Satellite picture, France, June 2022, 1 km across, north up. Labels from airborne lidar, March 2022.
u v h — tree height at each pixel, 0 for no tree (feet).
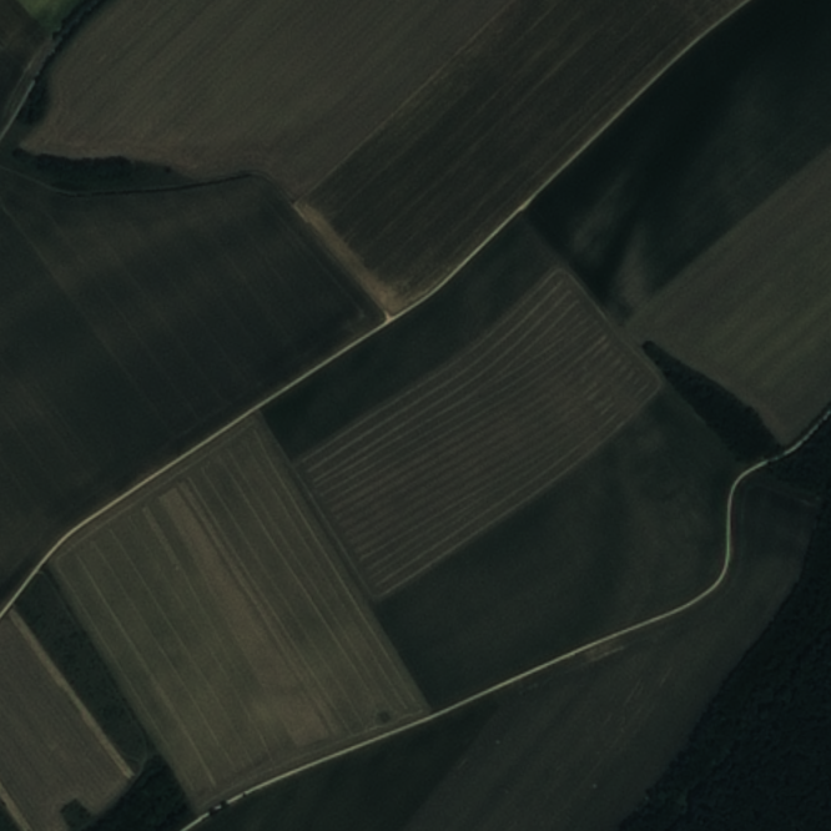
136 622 0
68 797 0
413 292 0
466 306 0
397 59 0
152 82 0
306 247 0
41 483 0
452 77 0
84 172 62
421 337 0
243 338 0
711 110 0
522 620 0
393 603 0
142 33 0
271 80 0
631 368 0
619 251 0
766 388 0
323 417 0
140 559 0
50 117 0
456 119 0
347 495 0
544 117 0
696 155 0
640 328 0
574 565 0
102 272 0
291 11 0
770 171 0
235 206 0
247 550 0
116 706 0
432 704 0
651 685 0
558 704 0
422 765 0
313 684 0
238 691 0
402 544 0
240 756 0
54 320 0
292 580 0
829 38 0
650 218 0
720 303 0
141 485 0
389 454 0
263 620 0
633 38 0
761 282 0
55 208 0
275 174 0
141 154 0
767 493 0
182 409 0
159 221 0
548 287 0
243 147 0
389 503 0
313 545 0
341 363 0
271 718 0
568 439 0
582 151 0
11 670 0
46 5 0
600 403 0
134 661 0
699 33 0
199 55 0
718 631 0
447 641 0
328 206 0
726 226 0
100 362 0
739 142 0
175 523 0
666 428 0
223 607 0
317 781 0
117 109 0
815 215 0
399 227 0
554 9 0
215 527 0
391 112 0
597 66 0
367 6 0
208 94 0
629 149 0
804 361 0
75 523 0
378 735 0
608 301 0
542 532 0
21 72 0
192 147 0
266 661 0
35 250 0
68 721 0
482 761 0
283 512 0
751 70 0
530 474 0
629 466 0
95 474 0
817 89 0
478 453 0
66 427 0
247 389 0
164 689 0
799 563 0
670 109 0
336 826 0
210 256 0
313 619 0
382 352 0
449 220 0
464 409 0
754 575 0
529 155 0
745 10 0
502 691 0
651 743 0
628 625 0
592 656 0
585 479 0
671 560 0
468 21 0
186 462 0
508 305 0
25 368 0
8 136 0
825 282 0
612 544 0
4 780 0
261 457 0
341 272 0
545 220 0
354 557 0
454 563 0
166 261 0
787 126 0
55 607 0
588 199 0
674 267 0
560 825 0
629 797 0
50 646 0
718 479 0
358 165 0
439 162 0
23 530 0
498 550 0
